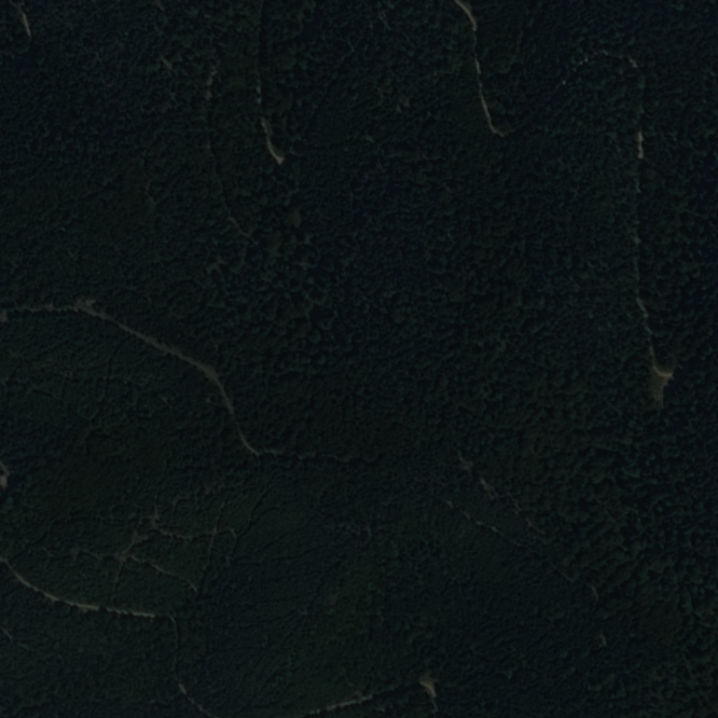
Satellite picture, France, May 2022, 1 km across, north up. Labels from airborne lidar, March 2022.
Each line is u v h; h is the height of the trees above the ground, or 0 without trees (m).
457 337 22
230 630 13
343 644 6
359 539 19
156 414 11
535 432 31
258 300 34
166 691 18
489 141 22
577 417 32
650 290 25
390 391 19
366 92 12
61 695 23
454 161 14
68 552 10
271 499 9
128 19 12
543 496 25
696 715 30
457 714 19
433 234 24
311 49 29
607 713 16
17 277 14
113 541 7
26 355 9
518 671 18
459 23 26
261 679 11
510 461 16
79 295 13
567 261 14
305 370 28
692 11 32
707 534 31
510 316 7
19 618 13
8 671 12
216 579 9
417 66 20
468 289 26
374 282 28
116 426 10
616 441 19
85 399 8
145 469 14
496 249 13
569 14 26
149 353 13
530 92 25
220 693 19
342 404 17
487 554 11
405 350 24
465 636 22
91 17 19
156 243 21
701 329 13
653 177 35
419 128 17
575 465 36
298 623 12
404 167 25
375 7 25
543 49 23
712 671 15
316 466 18
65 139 32
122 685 21
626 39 26
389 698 16
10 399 13
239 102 21
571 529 14
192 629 17
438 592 17
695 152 28
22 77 26
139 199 15
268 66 33
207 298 15
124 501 12
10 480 0
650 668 14
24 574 12
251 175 28
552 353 31
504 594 15
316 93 27
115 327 14
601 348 30
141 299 15
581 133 18
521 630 21
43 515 14
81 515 11
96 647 10
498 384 24
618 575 33
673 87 29
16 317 16
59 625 12
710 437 28
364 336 28
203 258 24
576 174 13
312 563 13
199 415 13
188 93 11
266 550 12
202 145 23
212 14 31
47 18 25
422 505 14
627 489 44
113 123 32
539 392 32
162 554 9
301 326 29
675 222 29
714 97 12
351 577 8
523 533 7
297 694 11
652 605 33
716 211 25
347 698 7
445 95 13
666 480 25
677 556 17
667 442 25
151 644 16
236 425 14
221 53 35
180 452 10
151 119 12
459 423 22
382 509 20
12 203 17
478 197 18
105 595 9
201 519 8
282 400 23
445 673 18
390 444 18
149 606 9
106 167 19
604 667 13
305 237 20
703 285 24
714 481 29
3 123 22
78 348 9
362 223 30
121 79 25
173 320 12
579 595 20
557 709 17
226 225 26
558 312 31
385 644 17
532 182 19
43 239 14
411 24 19
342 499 18
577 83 25
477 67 8
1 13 34
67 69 17
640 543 34
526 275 19
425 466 21
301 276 30
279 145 25
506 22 26
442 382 22
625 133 23
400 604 22
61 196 16
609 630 19
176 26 26
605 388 35
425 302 27
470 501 13
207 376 10
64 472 29
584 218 19
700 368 32
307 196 23
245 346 19
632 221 24
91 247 18
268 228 23
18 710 22
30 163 12
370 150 17
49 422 12
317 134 17
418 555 16
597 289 27
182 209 22
